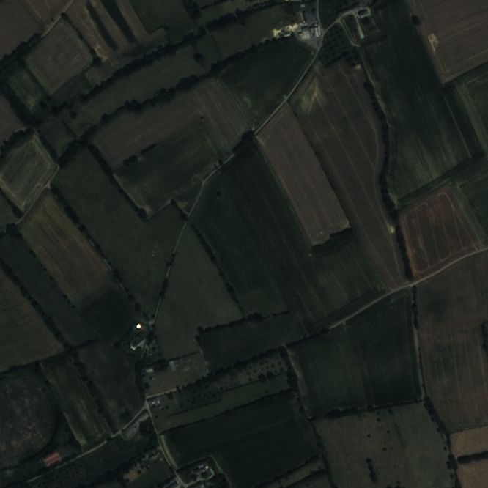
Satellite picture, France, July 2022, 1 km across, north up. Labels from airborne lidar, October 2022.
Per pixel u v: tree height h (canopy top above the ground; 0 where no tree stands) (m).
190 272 0
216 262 10
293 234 0
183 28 0
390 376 0
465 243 0
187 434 0
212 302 0
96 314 0
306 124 0
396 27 0
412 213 0
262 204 0
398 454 0
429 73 0
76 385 0
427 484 0
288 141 0
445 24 0
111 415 0
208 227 0
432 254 0
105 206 0
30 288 0
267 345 0
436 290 0
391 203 11
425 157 0
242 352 0
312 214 0
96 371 0
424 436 0
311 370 0
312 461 9
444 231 0
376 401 0
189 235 0
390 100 0
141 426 9
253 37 0
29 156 0
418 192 0
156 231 0
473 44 0
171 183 0
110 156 0
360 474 0
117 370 0
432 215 0
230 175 0
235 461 0
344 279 0
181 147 0
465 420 0
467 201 0
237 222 0
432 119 0
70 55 0
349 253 0
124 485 11
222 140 0
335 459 0
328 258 0
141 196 0
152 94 0
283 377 0
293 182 0
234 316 0
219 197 12
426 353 0
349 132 0
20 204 0
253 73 0
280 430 0
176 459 0
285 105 0
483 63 0
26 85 0
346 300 0
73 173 0
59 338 13
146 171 0
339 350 0
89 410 0
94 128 6
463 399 0
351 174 0
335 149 0
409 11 0
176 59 0
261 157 0
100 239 0
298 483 6
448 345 0
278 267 0
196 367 0
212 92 0
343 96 0
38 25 0
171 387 0
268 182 0
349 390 0
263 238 0
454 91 0
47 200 0
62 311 0
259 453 0
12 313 0
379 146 0
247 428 0
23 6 0
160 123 0
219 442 0
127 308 0
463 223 0
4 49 0
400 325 0
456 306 0
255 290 0
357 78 0
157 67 0
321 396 0
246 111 0
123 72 14
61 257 0
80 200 0
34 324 0
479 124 0
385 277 0
